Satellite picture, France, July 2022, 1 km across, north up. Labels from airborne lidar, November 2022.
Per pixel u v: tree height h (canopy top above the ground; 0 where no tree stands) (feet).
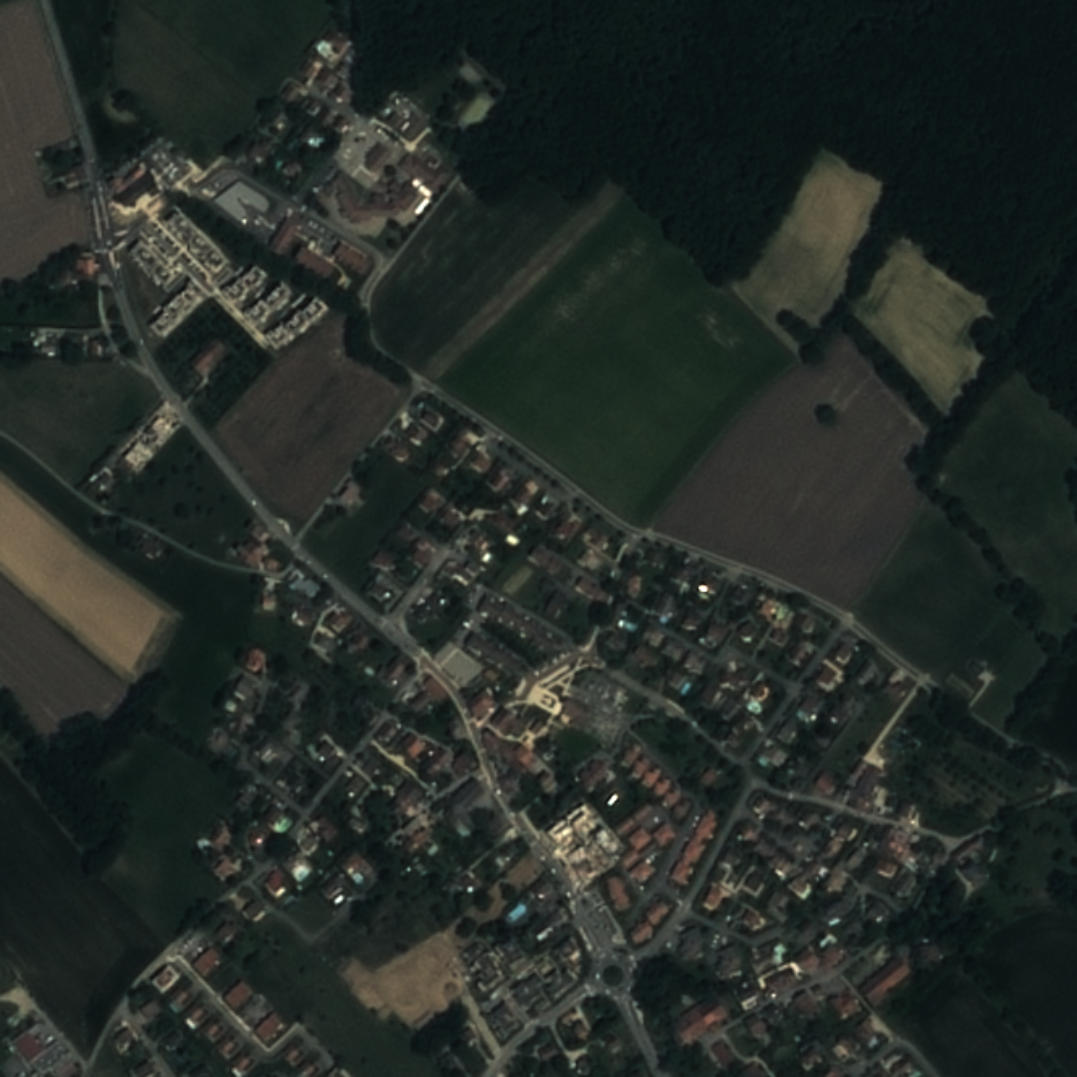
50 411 0
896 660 0
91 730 77
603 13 82
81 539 0
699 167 78
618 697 0
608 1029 36
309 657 35
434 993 0
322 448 0
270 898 17
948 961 19
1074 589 0
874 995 0
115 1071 0
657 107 78
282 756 0
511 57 69
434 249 0
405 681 0
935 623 0
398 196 0
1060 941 0
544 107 69
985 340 73
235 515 0
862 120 82
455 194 0
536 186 0
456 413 21
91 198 0
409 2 76
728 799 38
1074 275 90
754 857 23
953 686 0
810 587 0
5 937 0
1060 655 48
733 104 79
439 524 24
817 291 0
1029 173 92
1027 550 0
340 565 0
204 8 0
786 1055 0
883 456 0
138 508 0
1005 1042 0
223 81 0
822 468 0
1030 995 0
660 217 56
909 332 0
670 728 28
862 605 0
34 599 0
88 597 0
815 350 64
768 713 20
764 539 0
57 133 0
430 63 72
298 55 0
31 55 0
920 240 85
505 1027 0
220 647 0
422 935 0
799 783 30
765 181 89
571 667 0
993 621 0
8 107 0
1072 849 0
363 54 71
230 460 0
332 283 54
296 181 48
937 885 52
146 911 0
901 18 76
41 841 0
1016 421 0
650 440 0
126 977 0
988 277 84
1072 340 99
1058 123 84
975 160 91
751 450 0
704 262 73
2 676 0
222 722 21
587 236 0
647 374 0
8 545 0
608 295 0
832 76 77
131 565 0
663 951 0
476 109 0
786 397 0
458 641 0
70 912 0
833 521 0
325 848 24
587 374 0
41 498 0
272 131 25
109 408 0
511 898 31
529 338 0
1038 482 0
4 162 0
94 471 21
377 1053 0
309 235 0
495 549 20
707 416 0
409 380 65
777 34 41
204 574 0
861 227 0
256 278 0
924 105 91
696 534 0
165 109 0
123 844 55
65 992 0
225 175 0
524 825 0
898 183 83
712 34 89
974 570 0
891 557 0
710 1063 0
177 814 0
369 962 0
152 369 0
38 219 0
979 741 65
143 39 0
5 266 0
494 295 0
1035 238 80
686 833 0
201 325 20
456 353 0
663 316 0
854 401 0
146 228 0
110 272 0
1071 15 100
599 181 74
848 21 74
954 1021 0
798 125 90
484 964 0
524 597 0
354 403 0
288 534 0
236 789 35
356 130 0
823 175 0
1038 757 71
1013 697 0
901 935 76
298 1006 0
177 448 0
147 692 77
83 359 37
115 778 0
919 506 0
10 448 0
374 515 0
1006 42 91
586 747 0
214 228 54
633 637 25
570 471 0
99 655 0
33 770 44
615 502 0
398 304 0
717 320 0
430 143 0
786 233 0
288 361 0
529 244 0
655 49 71
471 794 0
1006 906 0
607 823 24
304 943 0
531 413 0
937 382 0
